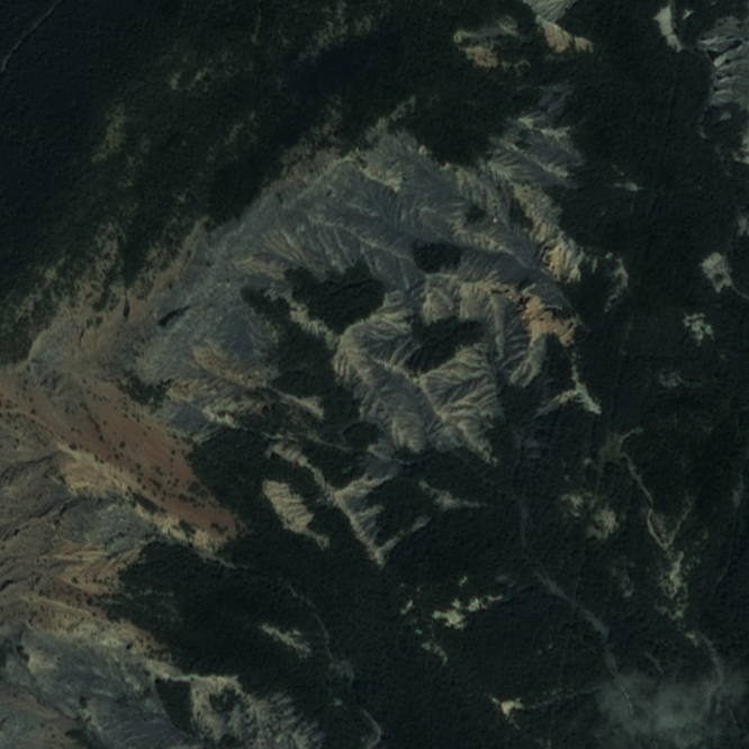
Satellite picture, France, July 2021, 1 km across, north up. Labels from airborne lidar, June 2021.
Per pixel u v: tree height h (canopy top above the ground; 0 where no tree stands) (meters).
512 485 12
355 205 0
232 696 8
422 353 8
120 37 8
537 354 0
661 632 12
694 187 8
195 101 9
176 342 0
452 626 8
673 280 9
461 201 0
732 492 7
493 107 7
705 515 7
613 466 12
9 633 0
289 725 0
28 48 9
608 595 7
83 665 0
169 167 7
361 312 7
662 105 13
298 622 11
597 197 9
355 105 6
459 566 8
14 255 6
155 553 7
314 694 8
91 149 7
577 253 0
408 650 20
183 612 6
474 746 17
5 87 13
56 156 9
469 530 12
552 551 10
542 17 0
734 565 13
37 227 10
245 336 0
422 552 11
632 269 6
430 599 7
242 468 9
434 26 9
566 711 9
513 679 10
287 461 6
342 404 10
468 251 0
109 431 0
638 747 10
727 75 0
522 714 10
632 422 9
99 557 0
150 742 0
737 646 12
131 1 10
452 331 9
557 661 11
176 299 0
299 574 11
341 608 6
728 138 7
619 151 6
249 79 14
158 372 0
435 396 0
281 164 7
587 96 10
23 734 0
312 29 6
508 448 9
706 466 8
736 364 12
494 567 7
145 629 7
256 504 8
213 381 0
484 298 0
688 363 11
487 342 0
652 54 6
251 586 8
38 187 10
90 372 0
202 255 0
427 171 0
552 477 9
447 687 12
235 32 12
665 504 8
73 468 0
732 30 0
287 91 6
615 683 8
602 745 9
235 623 9
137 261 6
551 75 7
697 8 8
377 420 0
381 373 0
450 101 10
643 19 7
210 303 0
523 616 10
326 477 7
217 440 7
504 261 0
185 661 6
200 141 9
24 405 0
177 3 11
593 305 8
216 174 7
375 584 12
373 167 0
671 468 7
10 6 10
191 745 0
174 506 0
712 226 13
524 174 0
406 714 7
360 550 11
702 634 7
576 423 8
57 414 0
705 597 7
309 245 0
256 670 9
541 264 0
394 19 8
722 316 8
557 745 7
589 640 14
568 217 6
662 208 10
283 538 13
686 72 11
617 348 11
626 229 12
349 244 0
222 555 8
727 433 7
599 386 7
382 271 0
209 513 0
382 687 11
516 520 11
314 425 7
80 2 11
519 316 0
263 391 7
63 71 10
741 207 8
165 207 9
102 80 8
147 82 7
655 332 6
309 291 7
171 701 8
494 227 0
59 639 0
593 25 6
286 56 7
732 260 8
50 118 9
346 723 9
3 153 10
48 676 0
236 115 9
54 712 0
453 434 0
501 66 8
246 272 0
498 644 12
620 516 9
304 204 0
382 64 7
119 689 0
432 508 10
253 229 0
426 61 13
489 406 0
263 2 9
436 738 11
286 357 8
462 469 11
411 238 0
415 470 9
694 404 10
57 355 0
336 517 12
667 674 11
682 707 9
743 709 9
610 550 12
